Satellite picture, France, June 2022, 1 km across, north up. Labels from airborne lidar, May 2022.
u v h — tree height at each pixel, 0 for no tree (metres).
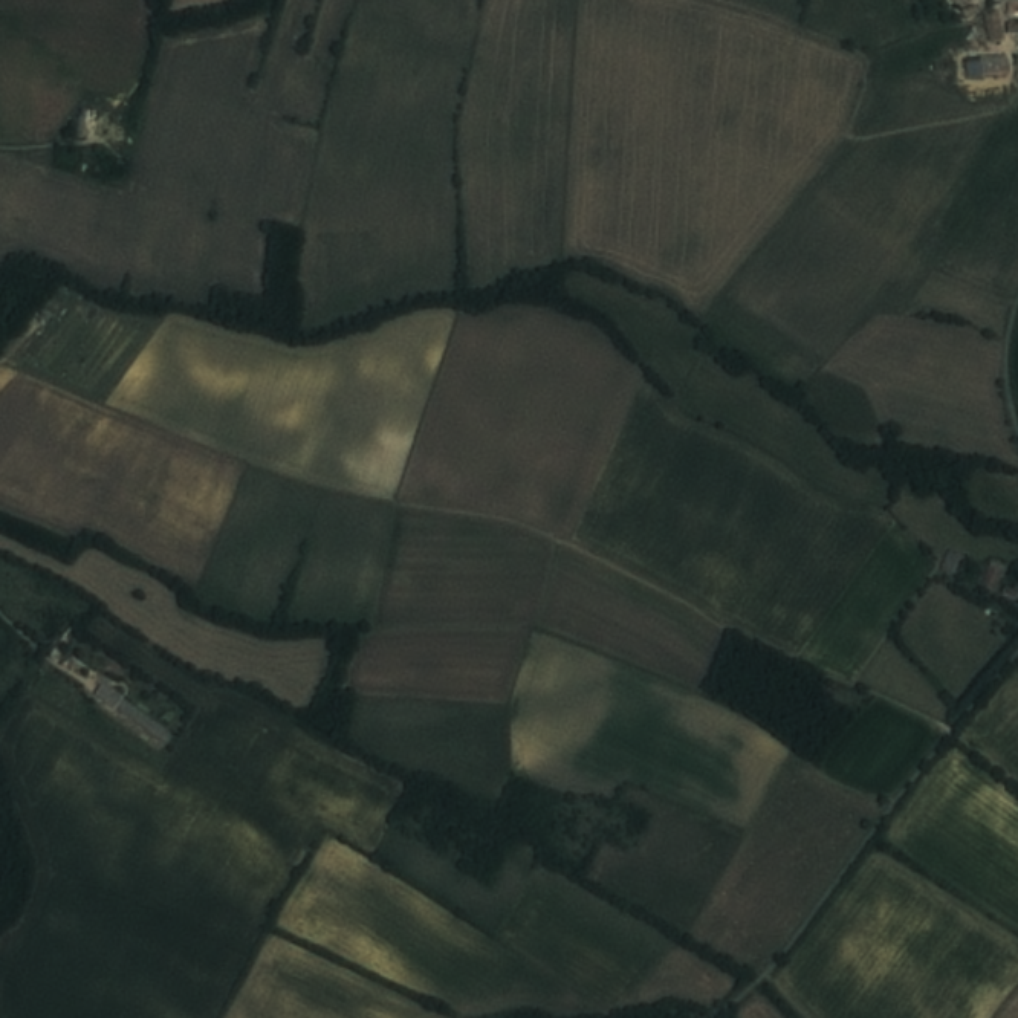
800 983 0
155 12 15
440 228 0
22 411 0
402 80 0
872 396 0
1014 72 0
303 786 0
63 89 0
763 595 0
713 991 0
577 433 0
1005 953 0
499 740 0
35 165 0
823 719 20
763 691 20
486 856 14
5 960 0
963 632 0
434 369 0
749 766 0
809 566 0
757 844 0
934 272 0
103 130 0
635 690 0
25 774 0
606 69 0
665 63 0
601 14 0
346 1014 0
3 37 0
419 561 0
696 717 0
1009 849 0
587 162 0
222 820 0
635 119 0
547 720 0
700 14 0
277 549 0
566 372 0
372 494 0
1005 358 0
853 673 0
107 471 0
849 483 0
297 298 16
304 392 0
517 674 0
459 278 14
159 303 13
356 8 0
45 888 0
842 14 0
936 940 0
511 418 0
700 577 0
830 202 0
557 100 0
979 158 0
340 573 0
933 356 0
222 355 0
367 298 0
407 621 0
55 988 0
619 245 0
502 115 0
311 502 0
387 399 0
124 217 0
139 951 0
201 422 0
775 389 17
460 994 0
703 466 0
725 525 0
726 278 0
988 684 13
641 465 0
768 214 0
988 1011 0
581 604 0
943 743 12
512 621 0
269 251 16
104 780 0
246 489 0
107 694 0
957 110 0
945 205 0
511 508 0
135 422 0
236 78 0
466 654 0
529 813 6
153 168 0
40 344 0
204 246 0
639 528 0
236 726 0
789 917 0
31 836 0
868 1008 0
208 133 0
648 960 0
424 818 7
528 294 16
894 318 0
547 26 0
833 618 0
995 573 0
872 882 0
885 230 0
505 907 0
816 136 0
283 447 0
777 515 0
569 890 0
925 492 15
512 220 0
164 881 0
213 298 14
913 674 0
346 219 0
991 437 0
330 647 15
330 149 0
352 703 14
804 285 0
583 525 0
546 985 0
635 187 0
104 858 0
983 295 0
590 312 16
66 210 0
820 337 0
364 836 0
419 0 0
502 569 0
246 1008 0
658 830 0
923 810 0
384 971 0
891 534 0
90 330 0
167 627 0
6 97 0
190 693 0
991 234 0
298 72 0
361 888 0
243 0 14
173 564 0
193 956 0
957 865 0
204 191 0
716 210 0
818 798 0
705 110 0
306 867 7
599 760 0
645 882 0
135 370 0
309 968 0
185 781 0
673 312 11
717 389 0
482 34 0
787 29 0
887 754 0
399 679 0
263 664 0
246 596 0
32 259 11
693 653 0
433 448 0
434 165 0
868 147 0
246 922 0
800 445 0
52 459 0
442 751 0
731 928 0
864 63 0
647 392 0
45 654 12
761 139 0
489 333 0
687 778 0
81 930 0
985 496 0
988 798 0
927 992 0
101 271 0
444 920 0
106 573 0
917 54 0
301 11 0
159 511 0
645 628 0
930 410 0
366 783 0
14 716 0
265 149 0
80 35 0
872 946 0
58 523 0
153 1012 0
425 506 0
